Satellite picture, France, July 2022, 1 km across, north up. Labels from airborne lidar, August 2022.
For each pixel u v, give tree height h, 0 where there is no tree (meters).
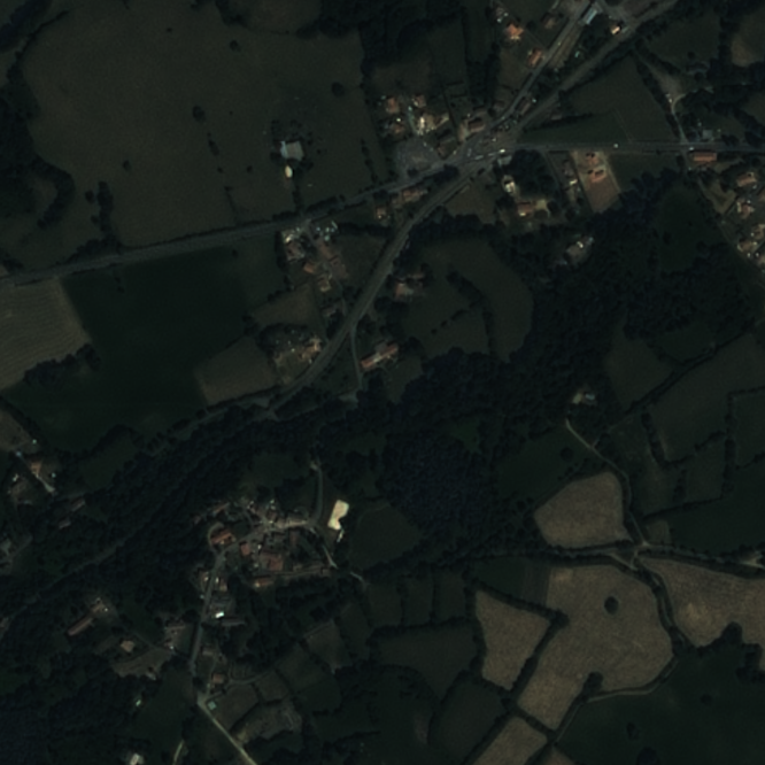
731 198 0
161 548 11
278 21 0
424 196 12
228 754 0
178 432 7
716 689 0
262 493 11
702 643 0
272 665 13
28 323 0
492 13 13
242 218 0
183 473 17
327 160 0
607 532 0
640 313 15
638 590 0
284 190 0
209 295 0
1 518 0
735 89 18
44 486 16
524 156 17
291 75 0
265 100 0
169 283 0
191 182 0
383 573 20
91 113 0
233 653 17
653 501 0
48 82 0
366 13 6
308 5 0
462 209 0
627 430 0
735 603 0
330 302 5
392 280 14
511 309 0
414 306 0
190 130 0
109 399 0
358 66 0
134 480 21
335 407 21
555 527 0
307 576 0
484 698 0
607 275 8
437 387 25
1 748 23
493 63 15
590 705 0
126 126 0
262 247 0
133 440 14
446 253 0
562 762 0
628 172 0
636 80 0
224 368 0
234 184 0
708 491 0
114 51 0
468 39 9
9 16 0
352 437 20
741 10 26
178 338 0
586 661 0
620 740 0
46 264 0
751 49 0
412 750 0
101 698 18
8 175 17
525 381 14
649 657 0
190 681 0
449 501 22
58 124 0
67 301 0
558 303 11
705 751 0
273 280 0
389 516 0
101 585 20
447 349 0
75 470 21
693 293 14
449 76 0
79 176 0
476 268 0
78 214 0
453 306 0
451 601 0
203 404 0
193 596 9
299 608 23
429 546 21
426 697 9
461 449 25
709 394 0
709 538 0
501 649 0
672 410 0
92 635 12
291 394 0
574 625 0
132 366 0
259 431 26
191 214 0
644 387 0
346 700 14
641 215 26
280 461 0
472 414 18
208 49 0
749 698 0
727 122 0
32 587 9
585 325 14
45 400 0
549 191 15
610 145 0
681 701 0
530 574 0
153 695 17
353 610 0
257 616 16
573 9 0
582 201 8
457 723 0
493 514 9
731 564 9
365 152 11
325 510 0
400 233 0
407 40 27
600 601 0
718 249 12
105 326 0
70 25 0
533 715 0
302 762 18
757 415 0
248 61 0
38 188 0
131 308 0
